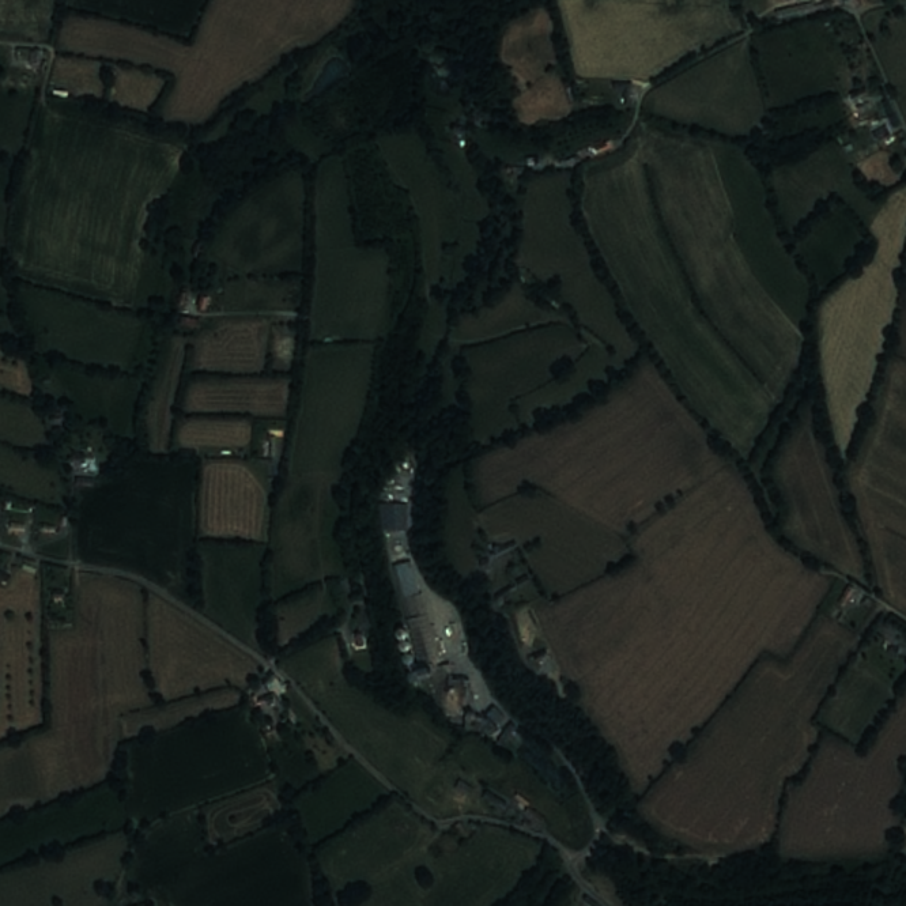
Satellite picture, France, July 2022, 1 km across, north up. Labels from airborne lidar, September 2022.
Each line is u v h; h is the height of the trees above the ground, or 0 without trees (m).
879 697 0
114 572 0
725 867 12
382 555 11
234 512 0
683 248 0
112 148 0
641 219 0
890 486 0
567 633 0
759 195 0
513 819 6
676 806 0
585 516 0
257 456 5
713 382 0
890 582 0
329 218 0
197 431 0
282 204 0
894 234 0
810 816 0
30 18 0
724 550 0
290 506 0
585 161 6
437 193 0
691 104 0
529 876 14
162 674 0
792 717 0
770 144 7
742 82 0
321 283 0
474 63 16
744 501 0
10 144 0
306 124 7
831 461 15
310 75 0
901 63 0
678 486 0
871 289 0
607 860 27
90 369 12
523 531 0
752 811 0
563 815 0
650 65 0
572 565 0
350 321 0
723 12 0
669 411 0
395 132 13
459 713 0
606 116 10
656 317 0
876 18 0
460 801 0
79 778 0
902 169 13
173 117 0
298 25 0
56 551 0
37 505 7
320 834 0
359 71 10
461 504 0
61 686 0
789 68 0
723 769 0
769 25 8
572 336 0
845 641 0
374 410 7
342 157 7
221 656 0
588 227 9
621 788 16
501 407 0
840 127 8
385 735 0
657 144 0
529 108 0
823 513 0
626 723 0
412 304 7
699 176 0
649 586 0
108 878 0
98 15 9
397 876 0
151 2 0
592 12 0
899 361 0
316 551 0
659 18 0
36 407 12
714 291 0
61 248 0
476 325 0
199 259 11
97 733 0
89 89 0
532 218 0
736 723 0
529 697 21
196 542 8
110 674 0
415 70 9
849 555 0
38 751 0
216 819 0
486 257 9
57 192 0
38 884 0
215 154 20
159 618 0
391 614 17
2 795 0
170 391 0
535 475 0
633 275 0
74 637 0
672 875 14
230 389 0
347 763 14
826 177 0
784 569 0
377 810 12
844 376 0
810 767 9
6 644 0
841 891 8
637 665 0
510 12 9
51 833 0
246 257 0
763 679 0
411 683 15
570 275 0
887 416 0
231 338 0
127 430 0
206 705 0
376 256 0
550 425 21
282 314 0
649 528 0
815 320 7
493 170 14
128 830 14
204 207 0
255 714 13
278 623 12
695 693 0
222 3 0
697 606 0
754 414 0
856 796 0
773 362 0
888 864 9
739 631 0
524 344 0
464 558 0
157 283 0
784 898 10
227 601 0
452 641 0
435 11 21
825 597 0
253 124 10
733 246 0
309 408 0
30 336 8
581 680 0
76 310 0
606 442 0
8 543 0
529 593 0
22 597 0
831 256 0
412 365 13
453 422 17
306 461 0
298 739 10
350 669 17
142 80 0
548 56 0
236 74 0
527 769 0
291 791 15
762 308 0
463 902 0
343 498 19
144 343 0
